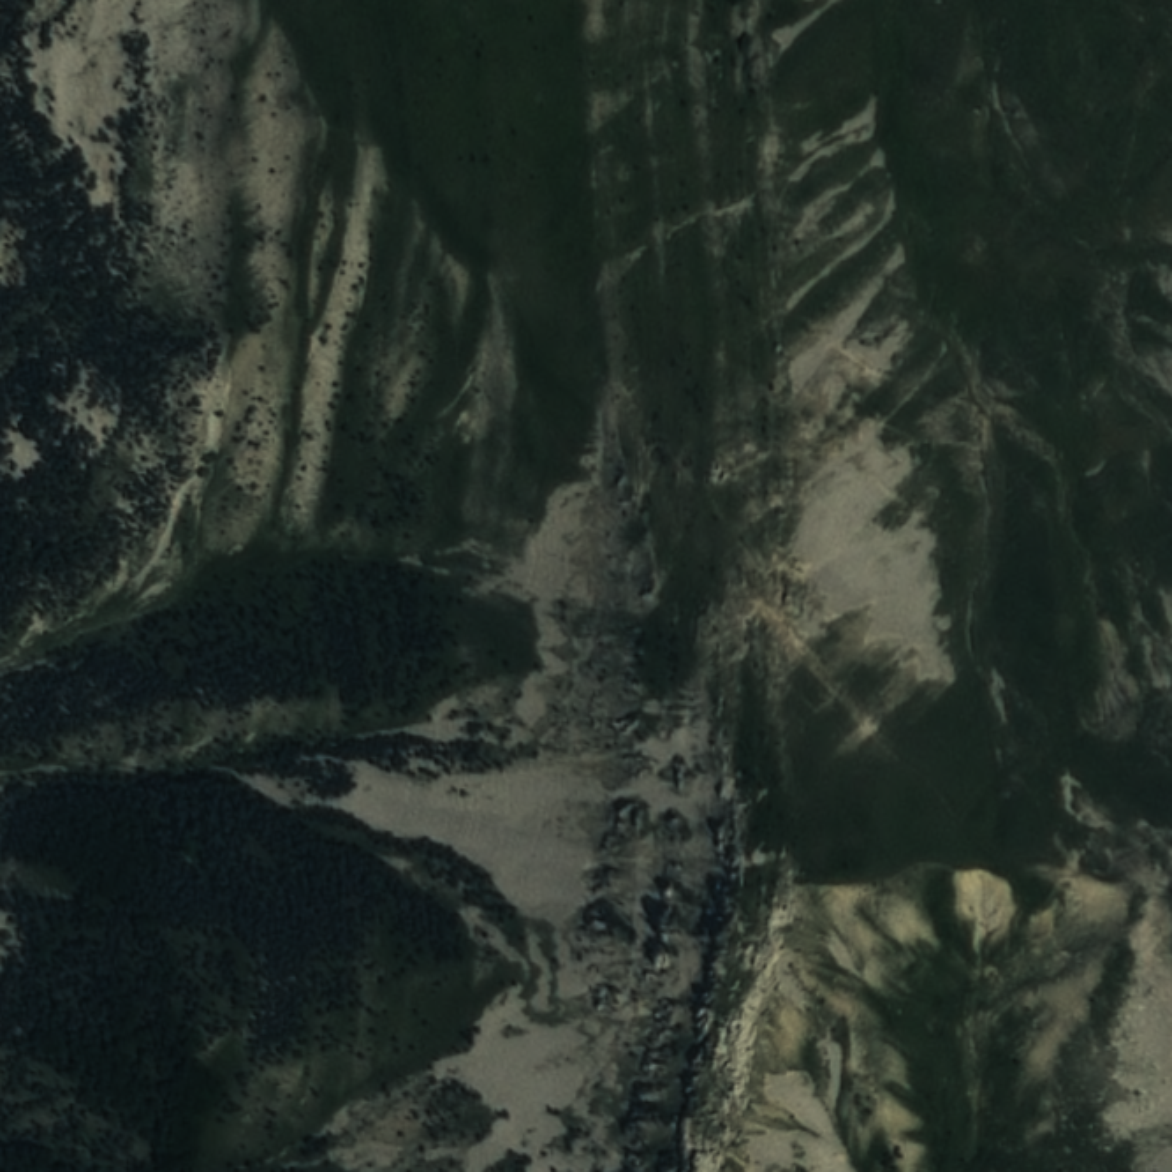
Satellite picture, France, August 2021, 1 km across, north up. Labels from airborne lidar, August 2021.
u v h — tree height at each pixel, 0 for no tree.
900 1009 0
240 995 6
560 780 0
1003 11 0
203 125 0
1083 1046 0
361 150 0
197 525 0
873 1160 0
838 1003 0
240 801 8
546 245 0
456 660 0
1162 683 0
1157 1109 0
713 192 0
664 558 0
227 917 6
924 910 0
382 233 0
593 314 0
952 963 0
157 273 0
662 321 0
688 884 0
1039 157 0
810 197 0
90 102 0
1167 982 0
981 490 0
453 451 0
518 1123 0
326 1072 0
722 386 0
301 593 0
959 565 0
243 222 0
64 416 6
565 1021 0
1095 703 0
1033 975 0
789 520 0
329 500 0
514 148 0
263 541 0
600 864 0
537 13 0
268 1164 0
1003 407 0
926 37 0
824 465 0
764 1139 0
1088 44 0
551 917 0
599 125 0
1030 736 0
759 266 0
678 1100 0
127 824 10
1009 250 0
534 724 0
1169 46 0
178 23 0
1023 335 0
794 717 0
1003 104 0
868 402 0
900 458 0
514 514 0
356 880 7
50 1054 9
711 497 0
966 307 0
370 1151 0
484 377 0
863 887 0
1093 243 0
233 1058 0
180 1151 15
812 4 0
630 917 0
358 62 0
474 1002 0
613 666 0
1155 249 0
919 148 0
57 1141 8
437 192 0
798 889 0
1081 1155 0
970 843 0
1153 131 0
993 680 0
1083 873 0
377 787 0
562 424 0
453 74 0
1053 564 0
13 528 7
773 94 0
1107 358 0
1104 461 0
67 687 8
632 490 0
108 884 12
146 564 0
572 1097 0
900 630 0
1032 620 0
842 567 0
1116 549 0
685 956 0
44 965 8
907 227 0
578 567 0
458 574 0
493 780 0
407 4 0
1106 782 0
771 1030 0
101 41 0
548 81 0
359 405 0
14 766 0
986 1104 0
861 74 0
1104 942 0
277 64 0
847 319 0
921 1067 0
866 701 0
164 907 7
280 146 0
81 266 6
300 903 8
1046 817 0
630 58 0
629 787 0
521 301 0
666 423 0
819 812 0
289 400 0
